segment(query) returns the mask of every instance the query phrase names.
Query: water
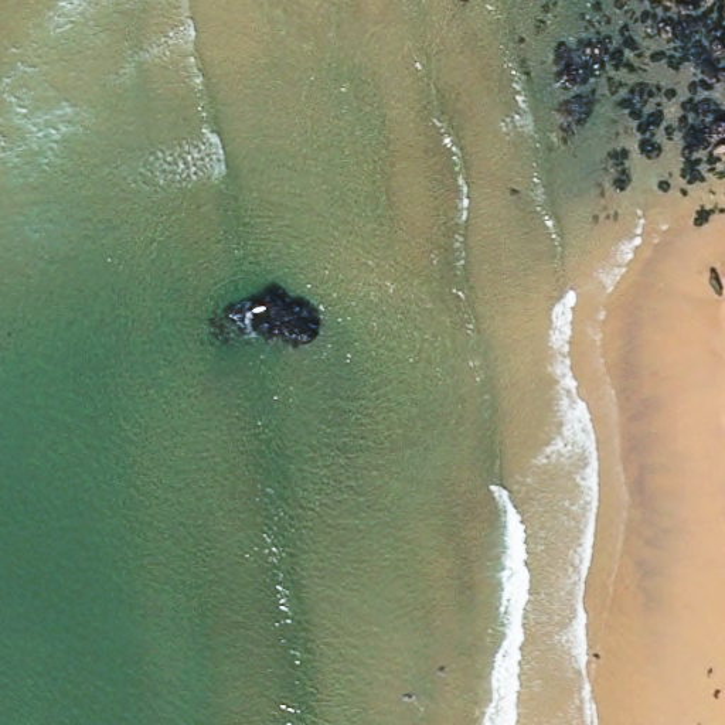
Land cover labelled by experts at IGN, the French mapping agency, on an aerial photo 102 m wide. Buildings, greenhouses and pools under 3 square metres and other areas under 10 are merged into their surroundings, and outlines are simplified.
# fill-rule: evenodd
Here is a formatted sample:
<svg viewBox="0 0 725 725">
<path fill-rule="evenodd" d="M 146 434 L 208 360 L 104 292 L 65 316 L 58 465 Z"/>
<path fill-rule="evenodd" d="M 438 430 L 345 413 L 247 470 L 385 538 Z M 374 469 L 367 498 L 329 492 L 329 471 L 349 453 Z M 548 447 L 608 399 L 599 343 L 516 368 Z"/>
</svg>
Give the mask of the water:
<svg viewBox="0 0 725 725">
<path fill-rule="evenodd" d="M 317 549 L 317 538 L 329 530 L 329 510 L 337 510 L 343 504 L 346 493 L 365 493 L 365 476 L 360 473 L 357 456 L 382 453 L 382 439 L 377 430 L 377 416 L 363 411 L 360 402 L 360 388 L 365 379 L 357 377 L 354 363 L 346 363 L 346 351 L 354 343 L 354 331 L 337 320 L 320 323 L 317 309 L 306 297 L 289 295 L 283 286 L 269 283 L 261 272 L 255 272 L 252 278 L 241 275 L 235 266 L 241 227 L 232 218 L 221 221 L 215 201 L 215 178 L 227 170 L 224 159 L 238 150 L 232 130 L 224 122 L 224 99 L 218 96 L 218 85 L 204 82 L 198 71 L 190 0 L 0 0 L 0 725 L 329 725 L 329 719 L 314 708 L 320 691 L 314 677 L 317 668 L 312 640 L 312 606 L 303 595 L 297 569 L 300 558 Z"/>
</svg>

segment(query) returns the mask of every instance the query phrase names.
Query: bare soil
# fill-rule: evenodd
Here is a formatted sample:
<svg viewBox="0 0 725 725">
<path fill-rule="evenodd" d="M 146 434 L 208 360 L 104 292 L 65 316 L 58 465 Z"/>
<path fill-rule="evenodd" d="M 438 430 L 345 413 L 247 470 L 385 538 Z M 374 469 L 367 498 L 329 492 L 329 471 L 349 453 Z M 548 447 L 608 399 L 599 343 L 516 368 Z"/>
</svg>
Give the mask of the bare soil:
<svg viewBox="0 0 725 725">
<path fill-rule="evenodd" d="M 354 363 L 357 377 L 365 379 L 360 388 L 360 402 L 363 411 L 377 416 L 377 430 L 382 439 L 382 453 L 357 456 L 360 473 L 365 476 L 365 493 L 346 493 L 343 504 L 337 510 L 329 510 L 329 530 L 317 538 L 317 549 L 300 558 L 297 569 L 303 595 L 312 606 L 312 640 L 317 668 L 314 677 L 320 691 L 314 708 L 329 719 L 329 725 L 725 725 L 725 0 L 190 0 L 198 71 L 204 82 L 218 85 L 218 96 L 224 99 L 224 122 L 232 130 L 238 150 L 224 159 L 227 170 L 215 178 L 215 201 L 221 221 L 232 218 L 241 227 L 235 266 L 241 275 L 252 278 L 255 272 L 261 272 L 269 283 L 283 286 L 289 295 L 306 297 L 317 309 L 320 323 L 337 320 L 354 331 L 354 343 L 346 351 L 346 363 Z"/>
</svg>

